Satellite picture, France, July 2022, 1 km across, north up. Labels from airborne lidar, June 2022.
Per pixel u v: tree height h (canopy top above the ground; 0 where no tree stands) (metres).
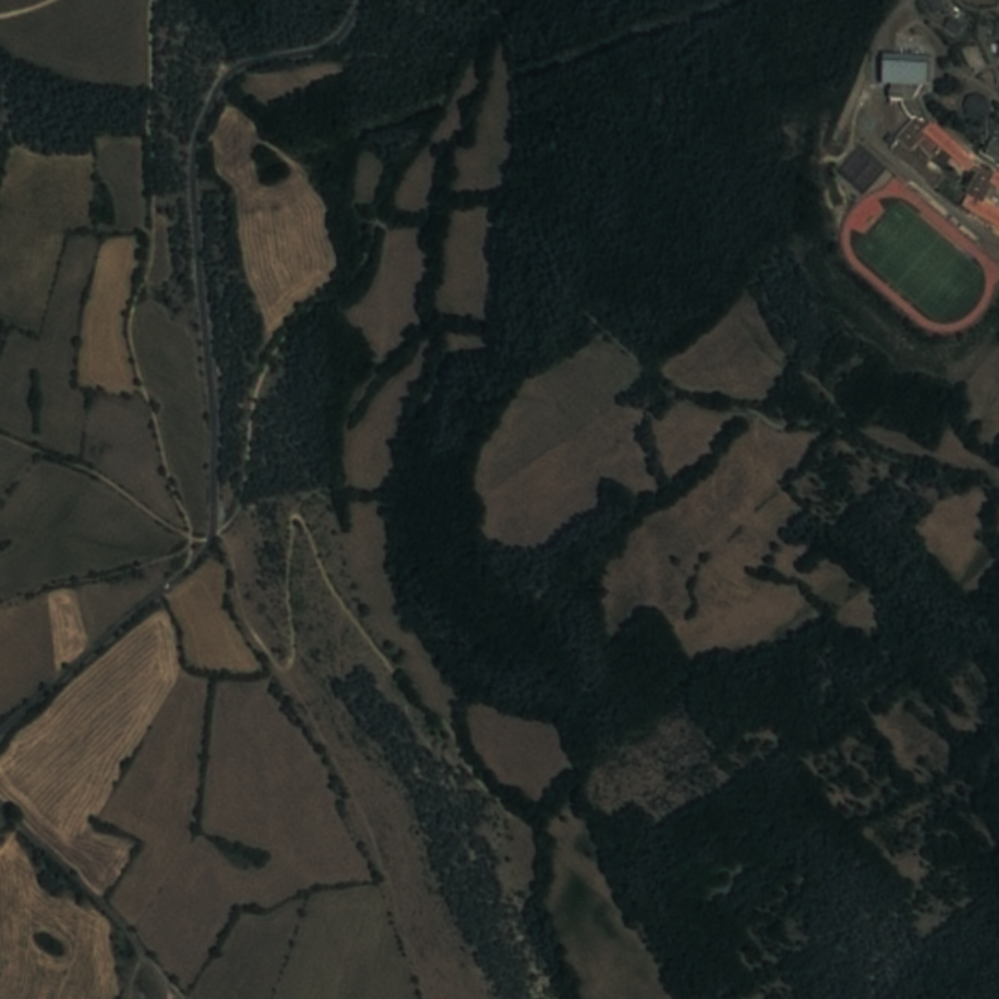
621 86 16
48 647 0
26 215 0
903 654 21
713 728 18
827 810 18
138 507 0
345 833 0
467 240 0
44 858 7
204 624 0
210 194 10
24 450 0
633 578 0
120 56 0
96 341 0
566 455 0
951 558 0
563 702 18
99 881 0
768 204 15
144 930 0
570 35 18
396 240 0
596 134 18
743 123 13
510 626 21
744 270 15
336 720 0
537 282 10
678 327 16
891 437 0
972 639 18
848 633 15
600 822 17
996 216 0
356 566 0
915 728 0
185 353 0
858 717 14
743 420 14
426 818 13
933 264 0
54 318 0
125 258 0
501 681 22
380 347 0
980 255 0
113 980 0
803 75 8
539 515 0
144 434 0
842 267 6
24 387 0
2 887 0
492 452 0
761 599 0
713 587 0
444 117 18
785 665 17
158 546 0
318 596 0
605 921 0
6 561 0
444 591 21
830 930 14
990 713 16
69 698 0
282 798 0
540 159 22
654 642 15
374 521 0
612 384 0
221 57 7
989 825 13
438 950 0
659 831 15
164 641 0
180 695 0
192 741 0
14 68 10
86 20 0
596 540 23
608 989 0
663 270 11
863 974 8
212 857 0
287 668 0
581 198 14
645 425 10
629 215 13
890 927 8
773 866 14
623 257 18
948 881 10
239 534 0
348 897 0
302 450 12
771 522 0
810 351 16
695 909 14
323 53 11
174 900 0
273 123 14
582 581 13
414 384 17
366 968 0
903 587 14
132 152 0
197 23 12
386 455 0
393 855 0
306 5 16
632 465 0
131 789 0
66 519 0
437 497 20
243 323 10
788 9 10
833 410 10
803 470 13
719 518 0
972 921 17
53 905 0
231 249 9
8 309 0
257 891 0
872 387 9
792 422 8
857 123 0
